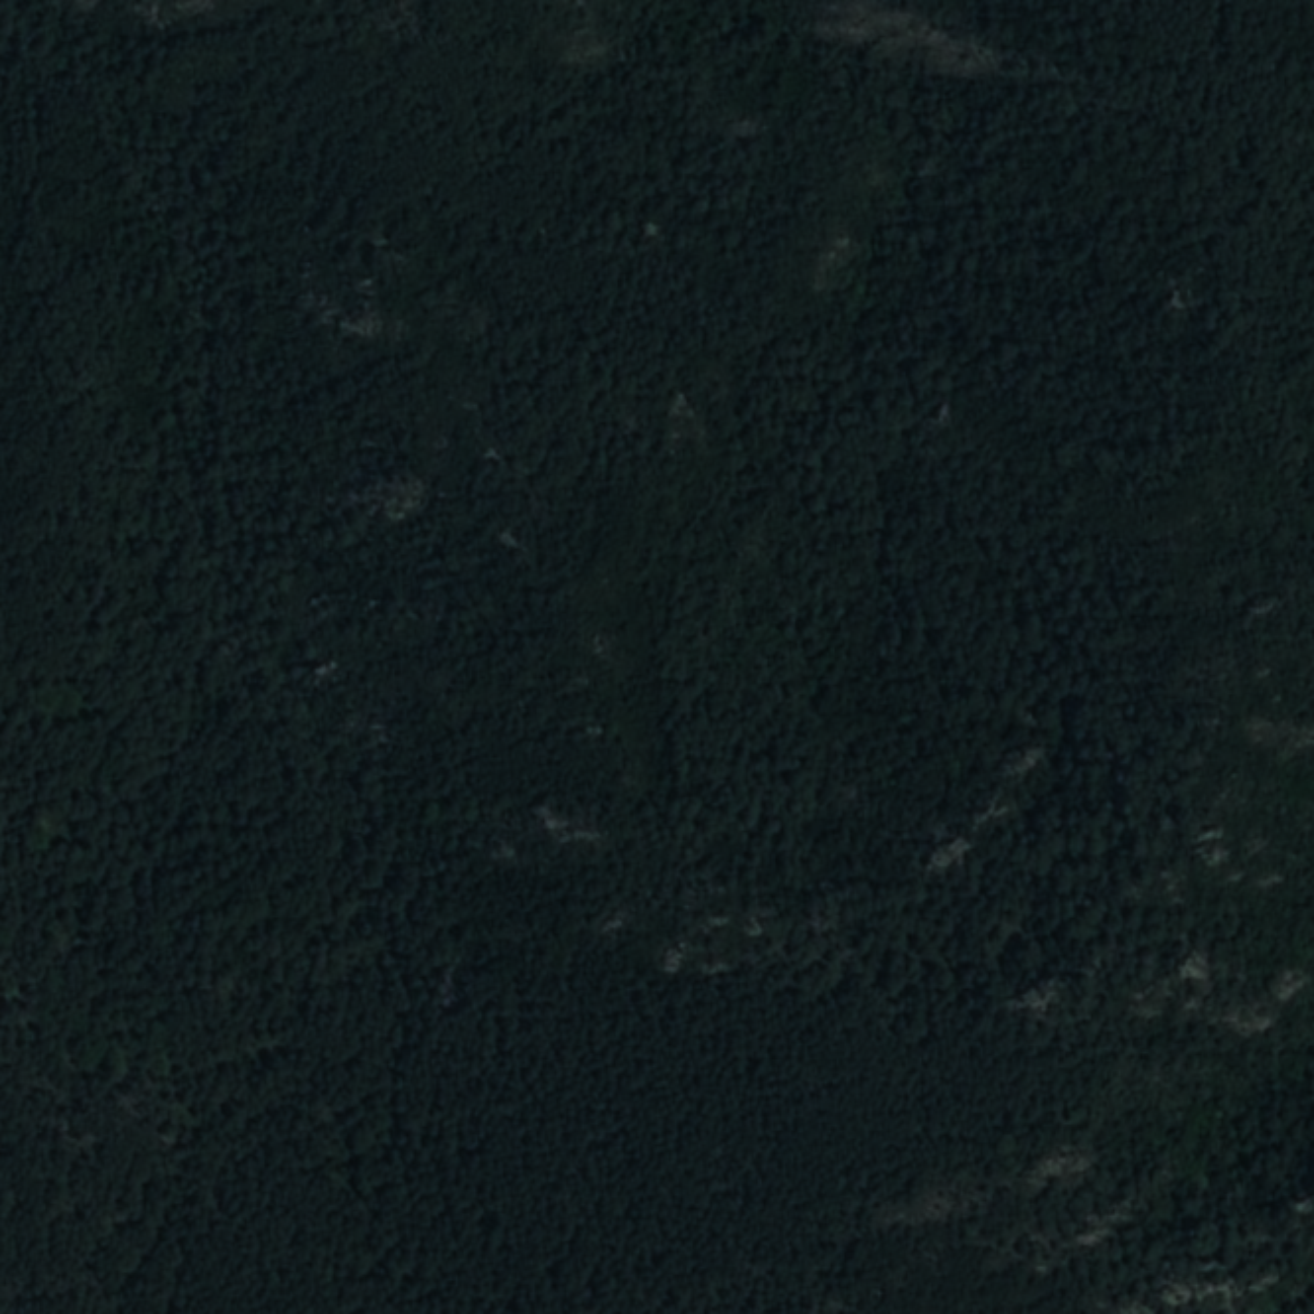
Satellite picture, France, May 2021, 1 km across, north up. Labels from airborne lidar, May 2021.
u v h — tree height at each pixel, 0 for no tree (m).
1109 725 31
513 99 21
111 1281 33
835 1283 13
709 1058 26
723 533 9
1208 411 17
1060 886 21
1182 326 27
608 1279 27
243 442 26
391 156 19
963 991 7
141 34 8
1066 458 20
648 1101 23
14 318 11
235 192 12
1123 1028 17
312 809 27
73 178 6
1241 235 27
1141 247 21
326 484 8
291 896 28
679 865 10
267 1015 28
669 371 24
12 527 20
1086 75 7
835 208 8
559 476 20
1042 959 16
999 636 32
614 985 11
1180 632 6
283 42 21
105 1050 18
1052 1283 12
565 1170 24
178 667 35
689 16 21
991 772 8
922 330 17
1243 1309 15
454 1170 27
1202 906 17
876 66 22
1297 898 10
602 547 14
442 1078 27
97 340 26
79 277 25
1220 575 18
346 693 13
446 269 7
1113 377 17
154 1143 25
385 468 9
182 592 35
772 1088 16
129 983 28
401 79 20
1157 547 18
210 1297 24
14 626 22
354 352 6
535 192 21
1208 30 28
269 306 13
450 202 22
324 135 16
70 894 23
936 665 20
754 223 13
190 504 27
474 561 17
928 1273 13
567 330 7
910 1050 23
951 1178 8
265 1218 28
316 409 20
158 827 21
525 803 7
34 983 22
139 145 25
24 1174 29
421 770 12
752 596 25
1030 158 10
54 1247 22
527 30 18
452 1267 27
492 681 7
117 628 33
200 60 21
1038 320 27
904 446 17
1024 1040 21
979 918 28
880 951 11
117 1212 21
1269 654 7
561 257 17
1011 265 23
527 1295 26
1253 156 28
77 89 28
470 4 24
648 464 15
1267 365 17
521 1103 23
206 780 29
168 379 29
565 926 14
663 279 20
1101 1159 9
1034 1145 11
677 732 26
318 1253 27
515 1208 23
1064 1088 16
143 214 6
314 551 8
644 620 7
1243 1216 11
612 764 11
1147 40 24
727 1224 25
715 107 9
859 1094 20
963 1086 21
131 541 7
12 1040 28
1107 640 27
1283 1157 28
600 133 27
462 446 8
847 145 7
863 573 19
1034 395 24
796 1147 21
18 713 26
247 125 17
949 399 14
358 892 27
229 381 27
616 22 11
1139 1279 15
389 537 17
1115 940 21
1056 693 31
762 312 18
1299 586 12
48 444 19
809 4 6
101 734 32
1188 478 13
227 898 10
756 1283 16
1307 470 14
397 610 15
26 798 18
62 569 21
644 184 24
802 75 18
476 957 10
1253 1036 11
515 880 14
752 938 7
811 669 17
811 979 16
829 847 18
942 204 16
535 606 14
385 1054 28
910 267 19
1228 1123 14
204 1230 28
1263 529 11
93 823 33
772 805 22
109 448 30
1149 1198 8
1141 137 14
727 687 20
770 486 20
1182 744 22
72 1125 22
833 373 29
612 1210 26
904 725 13
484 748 18
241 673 26
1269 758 10
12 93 20
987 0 14
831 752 12
